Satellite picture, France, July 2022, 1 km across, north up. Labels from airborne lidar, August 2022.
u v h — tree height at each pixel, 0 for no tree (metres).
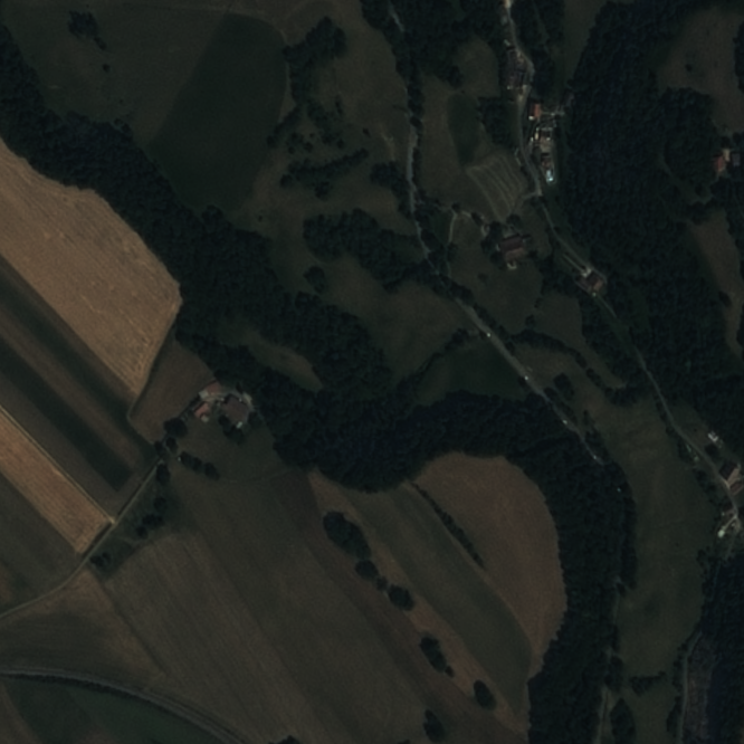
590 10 0
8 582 0
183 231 30
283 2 0
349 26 0
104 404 0
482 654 0
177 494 0
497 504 0
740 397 23
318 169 7
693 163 18
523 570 0
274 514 0
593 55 9
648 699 0
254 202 0
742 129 0
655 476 0
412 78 18
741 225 22
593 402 0
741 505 0
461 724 0
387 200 0
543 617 0
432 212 19
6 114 26
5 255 0
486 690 23
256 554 0
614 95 32
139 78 0
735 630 26
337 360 31
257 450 0
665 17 35
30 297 0
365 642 0
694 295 24
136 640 0
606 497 31
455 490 0
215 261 34
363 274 0
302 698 0
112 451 0
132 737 0
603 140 26
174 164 0
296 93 17
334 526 22
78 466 0
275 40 0
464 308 0
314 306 27
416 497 0
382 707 0
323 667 0
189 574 0
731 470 0
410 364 0
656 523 0
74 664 0
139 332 0
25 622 0
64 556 0
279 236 0
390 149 0
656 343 7
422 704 0
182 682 0
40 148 27
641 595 0
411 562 0
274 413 26
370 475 29
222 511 0
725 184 19
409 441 34
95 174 22
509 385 0
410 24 26
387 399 25
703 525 0
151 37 0
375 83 0
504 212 0
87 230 0
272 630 0
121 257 0
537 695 20
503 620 0
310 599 0
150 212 19
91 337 0
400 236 12
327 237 16
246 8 0
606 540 28
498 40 26
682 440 8
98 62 0
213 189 0
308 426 29
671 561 0
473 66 0
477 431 32
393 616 0
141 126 0
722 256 0
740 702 19
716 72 0
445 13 22
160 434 0
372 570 16
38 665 0
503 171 0
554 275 18
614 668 17
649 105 26
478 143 0
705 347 27
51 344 0
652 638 0
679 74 0
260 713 0
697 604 0
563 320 0
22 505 0
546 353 0
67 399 0
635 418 0
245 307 24
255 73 0
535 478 16
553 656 21
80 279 0
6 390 0
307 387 0
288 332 23
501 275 0
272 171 0
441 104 0
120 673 0
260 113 0
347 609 0
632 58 31
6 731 0
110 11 0
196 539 0
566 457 30
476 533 0
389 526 0
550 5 11
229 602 0
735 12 0
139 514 0
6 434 0
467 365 0
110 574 0
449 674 11
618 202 21
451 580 0
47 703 0
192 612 0
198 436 0
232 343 0
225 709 0
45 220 0
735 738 13
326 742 0
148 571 0
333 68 0
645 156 36
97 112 0
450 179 0
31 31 0
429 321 0
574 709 26
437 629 0
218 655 0
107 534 0
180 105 0
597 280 0
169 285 0
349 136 0
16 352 0
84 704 0
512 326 0
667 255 25
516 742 0
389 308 0
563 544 17
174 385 0
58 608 0
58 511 0
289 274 0
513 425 28
